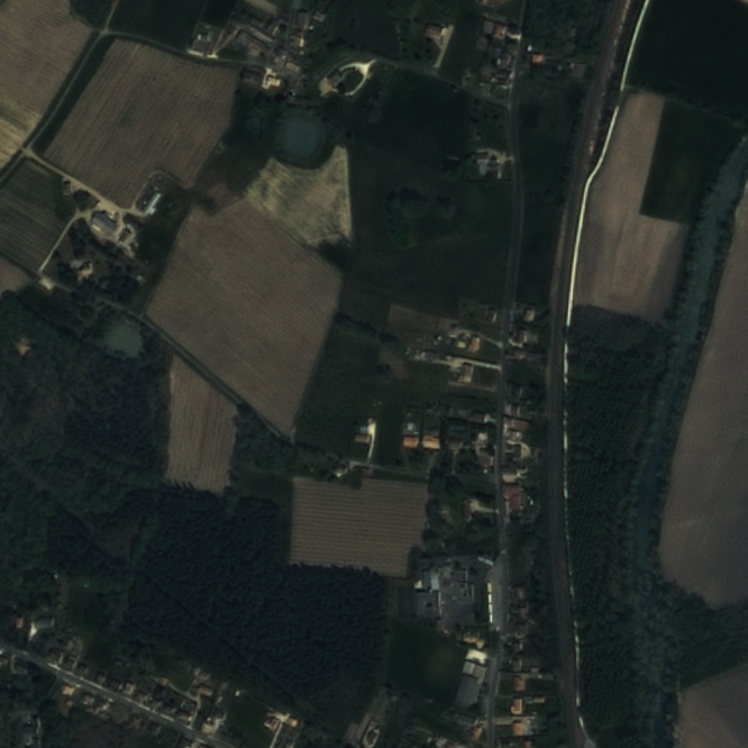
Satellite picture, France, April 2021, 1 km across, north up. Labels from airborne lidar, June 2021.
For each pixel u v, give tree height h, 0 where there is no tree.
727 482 0
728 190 0
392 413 0
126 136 0
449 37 0
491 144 0
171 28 0
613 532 12
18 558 15
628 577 15
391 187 0
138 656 16
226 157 0
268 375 0
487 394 0
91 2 11
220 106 0
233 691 0
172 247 0
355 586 20
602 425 15
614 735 0
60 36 0
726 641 8
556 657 13
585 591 17
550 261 0
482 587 0
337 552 0
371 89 0
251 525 17
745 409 0
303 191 0
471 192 0
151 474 19
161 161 0
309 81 9
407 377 0
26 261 0
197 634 18
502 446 0
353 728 0
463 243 0
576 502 16
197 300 0
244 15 6
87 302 14
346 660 18
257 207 0
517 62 0
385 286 0
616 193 0
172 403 0
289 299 0
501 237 0
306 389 0
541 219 0
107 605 23
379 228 0
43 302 0
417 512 0
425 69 0
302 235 0
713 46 0
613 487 17
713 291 8
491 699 0
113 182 0
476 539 18
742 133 0
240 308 0
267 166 0
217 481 0
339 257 0
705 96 0
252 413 16
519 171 0
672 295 0
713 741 0
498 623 0
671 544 0
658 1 0
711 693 0
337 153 0
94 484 18
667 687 19
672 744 8
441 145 0
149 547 14
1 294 0
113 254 8
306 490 0
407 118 0
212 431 0
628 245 0
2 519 15
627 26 5
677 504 0
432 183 0
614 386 16
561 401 8
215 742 0
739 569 0
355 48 11
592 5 7
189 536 20
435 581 0
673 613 25
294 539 0
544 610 18
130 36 0
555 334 0
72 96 0
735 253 0
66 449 20
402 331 0
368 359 0
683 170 0
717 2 0
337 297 0
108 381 25
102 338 7
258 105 14
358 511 0
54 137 0
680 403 14
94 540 10
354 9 0
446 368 0
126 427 23
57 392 17
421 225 0
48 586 18
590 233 0
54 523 22
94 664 0
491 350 0
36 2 0
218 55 0
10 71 0
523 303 0
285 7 0
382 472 0
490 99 0
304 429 7
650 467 0
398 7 21
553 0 14
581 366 23
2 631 14
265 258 0
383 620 18
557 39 11
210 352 0
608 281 0
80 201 16
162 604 18
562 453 9
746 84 0
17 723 7
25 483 20
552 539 10
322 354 0
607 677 20
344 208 0
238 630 17
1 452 6
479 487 0
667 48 0
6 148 0
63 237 0
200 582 16
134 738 0
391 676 0
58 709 14
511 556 0
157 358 19
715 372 0
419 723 0
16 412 11
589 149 0
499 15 0
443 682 0
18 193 0
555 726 12
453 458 0
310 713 7
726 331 0
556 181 0
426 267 0
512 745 0
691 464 0
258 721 0
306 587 15
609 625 17
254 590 21
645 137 0
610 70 0
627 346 15
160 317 0
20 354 14
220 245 0
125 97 0
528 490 8
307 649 18
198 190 0
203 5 0
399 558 0
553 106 0
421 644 0
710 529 0
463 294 0
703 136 0
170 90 0
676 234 0
